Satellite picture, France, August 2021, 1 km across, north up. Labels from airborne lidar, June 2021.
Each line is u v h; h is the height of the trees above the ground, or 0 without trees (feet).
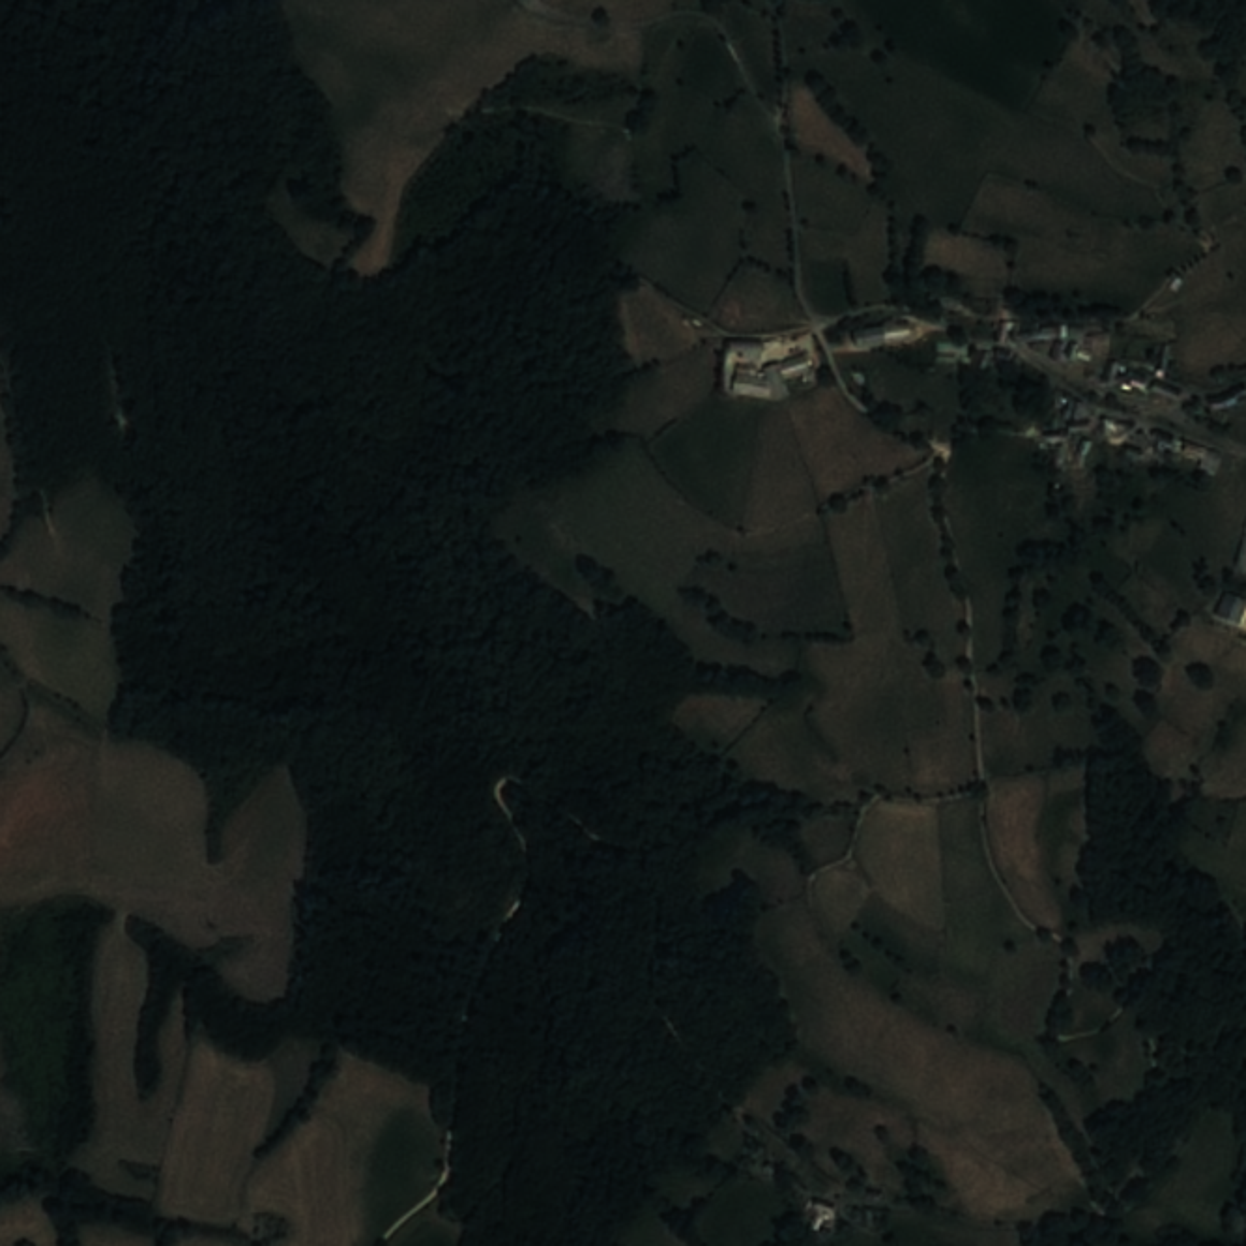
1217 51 50
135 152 79
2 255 56
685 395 0
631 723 76
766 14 24
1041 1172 0
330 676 78
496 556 54
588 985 52
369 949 50
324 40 0
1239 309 0
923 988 0
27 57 65
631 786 83
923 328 0
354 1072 0
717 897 0
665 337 0
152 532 33
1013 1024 0
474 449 60
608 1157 41
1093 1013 0
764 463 0
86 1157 0
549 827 89
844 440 0
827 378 51
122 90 64
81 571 0
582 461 66
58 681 0
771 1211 0
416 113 0
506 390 61
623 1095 68
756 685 68
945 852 0
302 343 64
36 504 41
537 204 77
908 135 0
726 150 0
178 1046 0
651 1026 73
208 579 73
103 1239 0
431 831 29
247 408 91
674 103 0
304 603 62
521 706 67
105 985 0
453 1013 51
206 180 81
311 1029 39
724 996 54
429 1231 0
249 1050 50
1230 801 22
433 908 44
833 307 0
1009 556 0
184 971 34
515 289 71
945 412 0
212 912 0
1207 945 48
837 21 31
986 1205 0
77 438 60
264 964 0
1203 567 29
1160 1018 69
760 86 0
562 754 75
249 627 86
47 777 0
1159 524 0
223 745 61
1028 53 0
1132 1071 0
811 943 0
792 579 0
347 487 37
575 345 69
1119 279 0
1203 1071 47
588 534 0
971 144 0
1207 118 0
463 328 106
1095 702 26
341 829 30
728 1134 0
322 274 53
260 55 82
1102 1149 55
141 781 0
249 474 65
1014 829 0
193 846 0
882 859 0
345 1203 0
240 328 63
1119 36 42
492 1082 38
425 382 80
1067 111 0
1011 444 0
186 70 82
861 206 0
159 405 70
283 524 42
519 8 0
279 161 43
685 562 0
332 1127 0
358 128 0
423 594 74
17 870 0
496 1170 32
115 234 67
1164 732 0
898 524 0
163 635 36
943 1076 0
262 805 0
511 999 53
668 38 0
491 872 27
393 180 0
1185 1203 0
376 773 74
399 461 45
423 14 0
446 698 93
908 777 0
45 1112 0
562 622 82
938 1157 0
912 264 47
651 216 0
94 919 25
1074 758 49
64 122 65
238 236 75
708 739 0
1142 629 31
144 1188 0
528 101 49
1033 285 0
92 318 64
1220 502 0
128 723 54
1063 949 27
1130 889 88
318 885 29
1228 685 0
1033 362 0
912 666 0
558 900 51
